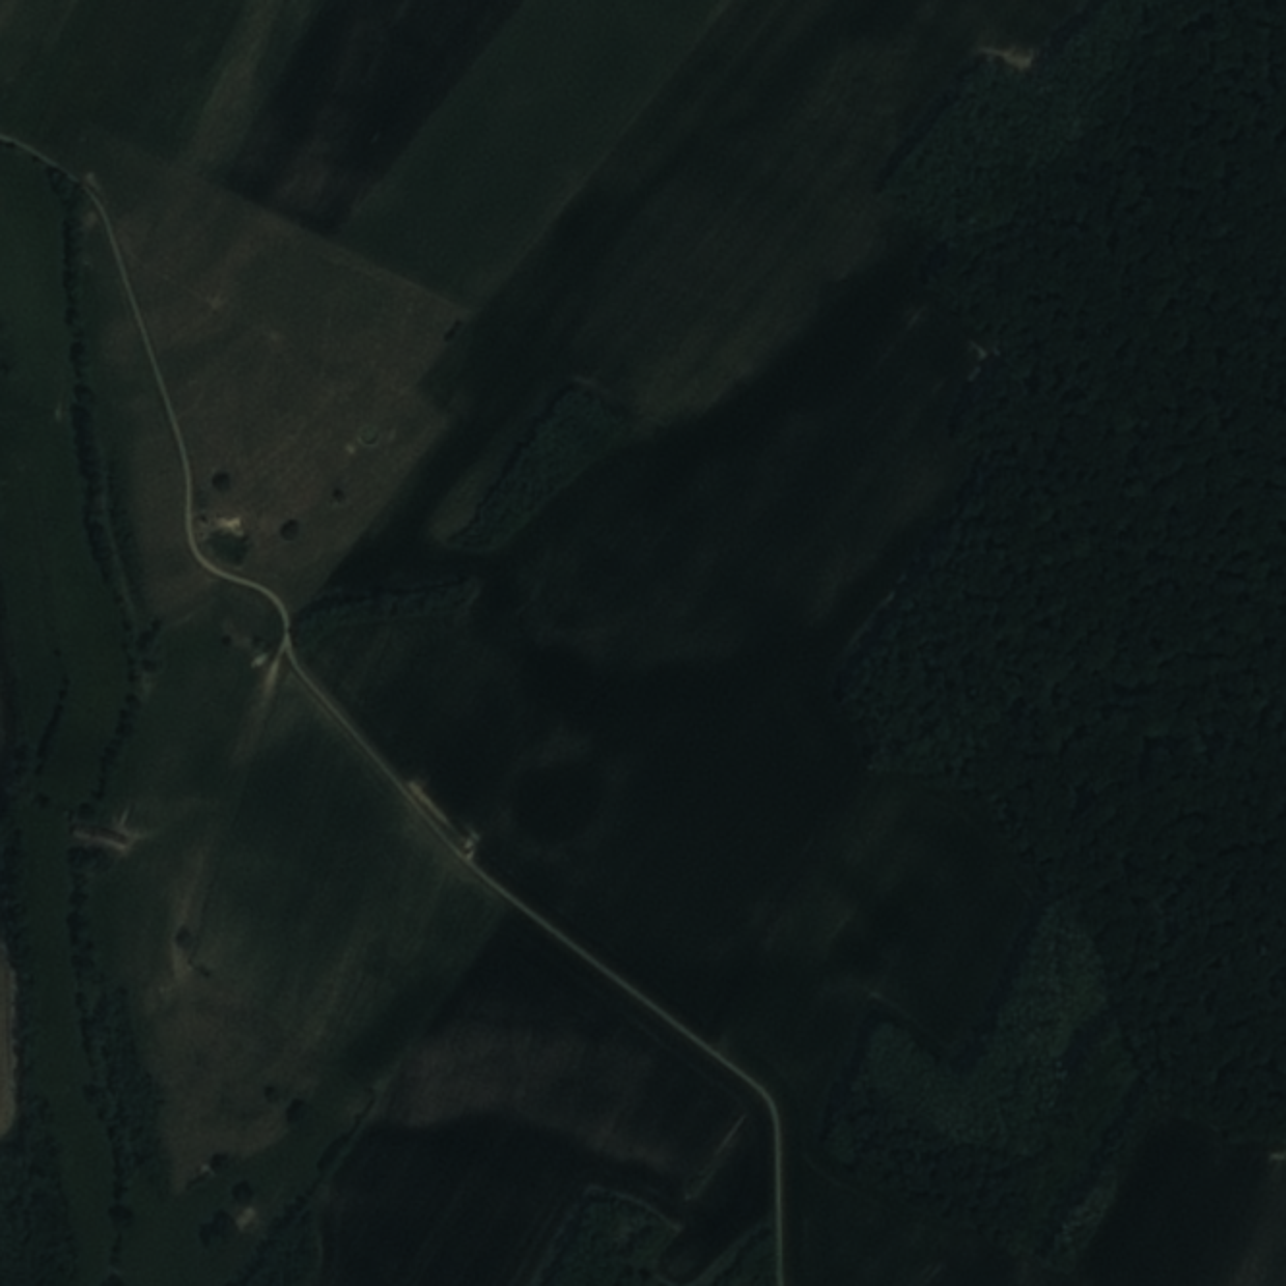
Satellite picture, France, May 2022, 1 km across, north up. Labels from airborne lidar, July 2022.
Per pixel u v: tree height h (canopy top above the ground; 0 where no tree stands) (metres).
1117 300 28
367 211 0
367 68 0
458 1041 0
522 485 12
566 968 0
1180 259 30
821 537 0
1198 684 26
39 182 0
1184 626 31
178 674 0
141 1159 17
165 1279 0
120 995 11
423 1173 0
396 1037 0
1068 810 28
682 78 0
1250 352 29
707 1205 0
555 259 0
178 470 0
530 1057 0
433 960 0
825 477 0
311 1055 0
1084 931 29
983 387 16
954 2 0
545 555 0
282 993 0
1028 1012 29
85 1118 0
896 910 0
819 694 0
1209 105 26
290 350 0
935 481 0
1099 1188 27
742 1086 0
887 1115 29
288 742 0
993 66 15
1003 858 0
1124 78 23
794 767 0
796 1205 0
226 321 0
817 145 0
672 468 0
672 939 0
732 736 0
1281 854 26
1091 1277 0
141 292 0
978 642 31
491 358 0
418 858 0
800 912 0
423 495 0
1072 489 30
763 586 0
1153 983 34
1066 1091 29
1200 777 31
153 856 0
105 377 0
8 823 10
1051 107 27
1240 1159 0
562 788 0
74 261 13
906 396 0
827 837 0
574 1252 23
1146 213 32
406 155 0
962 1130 30
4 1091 0
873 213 0
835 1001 0
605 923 0
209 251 0
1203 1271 0
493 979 0
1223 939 31
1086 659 30
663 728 0
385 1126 0
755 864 0
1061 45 21
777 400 0
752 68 0
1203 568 29
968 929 0
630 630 0
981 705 30
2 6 0
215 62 0
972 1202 29
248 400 0
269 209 0
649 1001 0
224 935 0
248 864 0
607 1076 0
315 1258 13
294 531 9
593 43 0
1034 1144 26
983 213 26
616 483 0
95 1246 0
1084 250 31
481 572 0
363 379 0
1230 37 29
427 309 0
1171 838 34
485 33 0
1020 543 27
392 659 0
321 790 0
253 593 0
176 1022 0
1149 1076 27
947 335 0
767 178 0
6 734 0
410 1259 0
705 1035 0
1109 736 33
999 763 30
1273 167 28
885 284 0
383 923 0
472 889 0
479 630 0
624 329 0
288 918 0
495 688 0
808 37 0
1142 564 28
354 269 0
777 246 0
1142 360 32
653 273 0
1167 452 31
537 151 0
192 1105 0
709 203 0
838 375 0
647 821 0
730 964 0
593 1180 0
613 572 0
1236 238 30
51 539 0
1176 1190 0
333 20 0
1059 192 29
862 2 0
